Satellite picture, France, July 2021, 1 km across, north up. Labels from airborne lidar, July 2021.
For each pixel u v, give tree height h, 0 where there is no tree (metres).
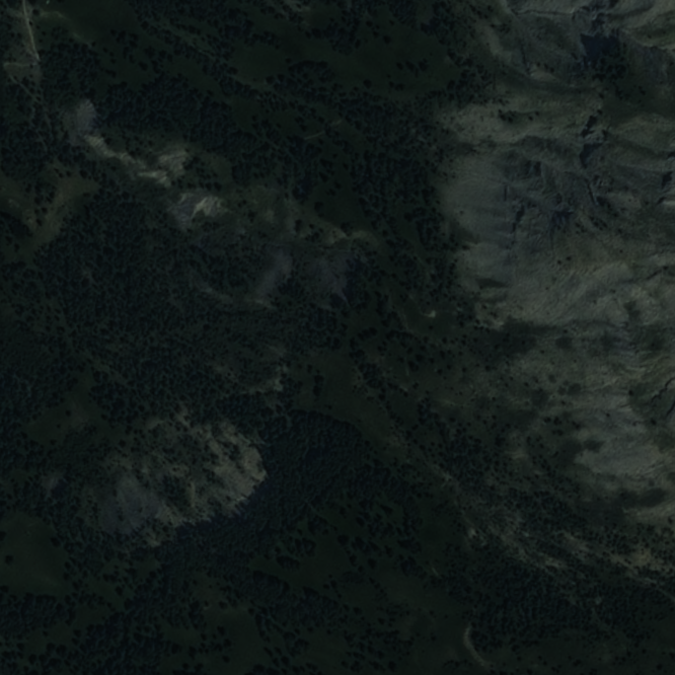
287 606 24
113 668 23
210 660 0
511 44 0
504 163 0
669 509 0
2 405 20
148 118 11
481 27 0
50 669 13
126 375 11
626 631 8
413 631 0
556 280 0
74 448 10
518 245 0
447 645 0
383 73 0
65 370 21
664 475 0
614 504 0
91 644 18
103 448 7
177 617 22
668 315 0
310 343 6
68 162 16
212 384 9
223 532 22
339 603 13
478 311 0
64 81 12
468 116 0
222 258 10
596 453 0
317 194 0
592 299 0
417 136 7
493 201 0
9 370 6
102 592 0
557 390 0
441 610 0
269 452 14
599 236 0
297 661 0
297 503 24
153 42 0
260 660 0
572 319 0
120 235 14
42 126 14
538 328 0
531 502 13
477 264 0
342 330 13
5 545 0
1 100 23
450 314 0
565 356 0
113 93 16
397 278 12
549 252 0
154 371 16
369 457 17
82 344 12
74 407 0
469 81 12
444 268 11
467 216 0
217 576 13
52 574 0
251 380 7
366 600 0
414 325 0
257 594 22
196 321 8
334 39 19
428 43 0
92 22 0
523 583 15
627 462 0
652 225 0
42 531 0
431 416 19
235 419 20
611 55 11
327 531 23
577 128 0
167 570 21
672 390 0
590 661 0
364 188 26
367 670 0
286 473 24
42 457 12
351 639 18
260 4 14
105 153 0
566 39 0
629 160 0
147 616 20
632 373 0
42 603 20
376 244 0
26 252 0
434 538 0
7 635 16
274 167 16
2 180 0
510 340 6
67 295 21
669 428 0
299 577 0
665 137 0
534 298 0
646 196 0
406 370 0
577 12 0
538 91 0
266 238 11
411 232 0
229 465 0
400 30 0
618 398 0
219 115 20
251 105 0
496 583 7
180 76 9
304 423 20
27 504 13
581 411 0
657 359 0
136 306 8
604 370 0
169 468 0
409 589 0
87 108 0
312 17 0
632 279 0
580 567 8
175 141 0
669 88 0
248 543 25
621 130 0
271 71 0
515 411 0
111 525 0
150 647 27
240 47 0
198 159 15
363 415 0
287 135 0
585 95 0
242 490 0
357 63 0
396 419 11
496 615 12
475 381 0
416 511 24
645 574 6
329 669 0
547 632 11
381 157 14
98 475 6
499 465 10
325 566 0
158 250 10
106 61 0
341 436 23
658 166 0
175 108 18
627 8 0
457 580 9
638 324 0
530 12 0
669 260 0
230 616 0
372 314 0
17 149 23
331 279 0
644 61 0
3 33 10
